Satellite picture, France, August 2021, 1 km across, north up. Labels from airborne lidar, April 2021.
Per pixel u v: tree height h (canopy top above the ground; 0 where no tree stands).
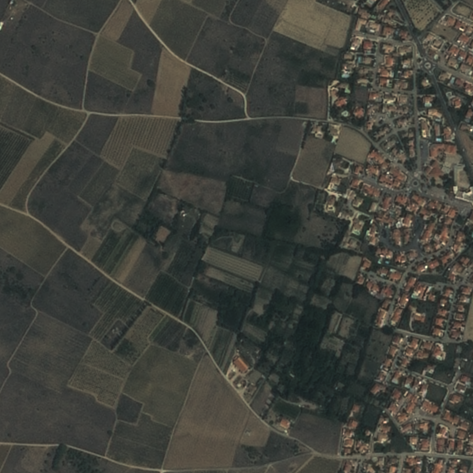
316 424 0
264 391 0
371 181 0
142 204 0
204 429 0
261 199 0
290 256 0
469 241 11
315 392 15
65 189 0
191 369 0
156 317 0
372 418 0
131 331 0
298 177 0
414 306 9
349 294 8
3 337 0
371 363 0
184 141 0
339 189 0
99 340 0
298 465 0
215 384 0
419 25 0
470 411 0
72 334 0
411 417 0
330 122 0
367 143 0
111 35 0
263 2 0
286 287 0
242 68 0
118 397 0
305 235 0
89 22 0
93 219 0
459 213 0
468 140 0
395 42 0
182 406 0
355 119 7
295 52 0
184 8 0
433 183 6
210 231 0
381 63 0
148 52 0
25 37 0
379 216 0
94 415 0
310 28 0
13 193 0
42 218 0
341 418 7
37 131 0
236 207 0
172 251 0
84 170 0
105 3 0
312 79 0
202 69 0
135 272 0
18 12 0
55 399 0
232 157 0
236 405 0
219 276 0
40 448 0
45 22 0
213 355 0
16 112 0
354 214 0
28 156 0
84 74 0
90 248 0
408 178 0
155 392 0
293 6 0
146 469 0
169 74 0
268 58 0
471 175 0
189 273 0
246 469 0
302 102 0
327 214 6
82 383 0
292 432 0
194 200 0
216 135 0
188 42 0
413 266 0
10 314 0
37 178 0
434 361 6
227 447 0
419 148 0
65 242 0
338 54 0
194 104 0
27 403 0
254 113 0
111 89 0
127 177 0
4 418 0
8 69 0
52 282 0
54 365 0
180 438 0
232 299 12
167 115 0
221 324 7
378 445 0
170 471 0
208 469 0
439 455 0
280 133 0
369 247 0
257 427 0
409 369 11
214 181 0
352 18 0
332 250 9
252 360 0
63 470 0
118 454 0
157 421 0
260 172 0
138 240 0
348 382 7
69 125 0
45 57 0
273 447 0
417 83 6
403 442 0
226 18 0
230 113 0
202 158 0
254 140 0
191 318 0
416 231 0
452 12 0
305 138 7
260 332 0
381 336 0
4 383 0
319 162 0
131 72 0
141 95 0
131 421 0
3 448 0
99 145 0
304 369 7
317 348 10
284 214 0
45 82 0
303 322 7
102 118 0
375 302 0
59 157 0
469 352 0
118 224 0
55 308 0
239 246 0
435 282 0
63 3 0
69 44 0
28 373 0
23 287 0
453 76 0
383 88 0
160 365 0
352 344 7
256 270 0
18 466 0
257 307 0
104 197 0
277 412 0
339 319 0
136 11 0
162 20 0
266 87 0
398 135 0
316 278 12
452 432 0
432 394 0
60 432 0
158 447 0
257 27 0
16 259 0
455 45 0
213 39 0
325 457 0
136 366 0
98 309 0
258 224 0
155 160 0
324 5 0
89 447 0
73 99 0
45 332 0
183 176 0
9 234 0
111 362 0
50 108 0
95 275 0
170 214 0
